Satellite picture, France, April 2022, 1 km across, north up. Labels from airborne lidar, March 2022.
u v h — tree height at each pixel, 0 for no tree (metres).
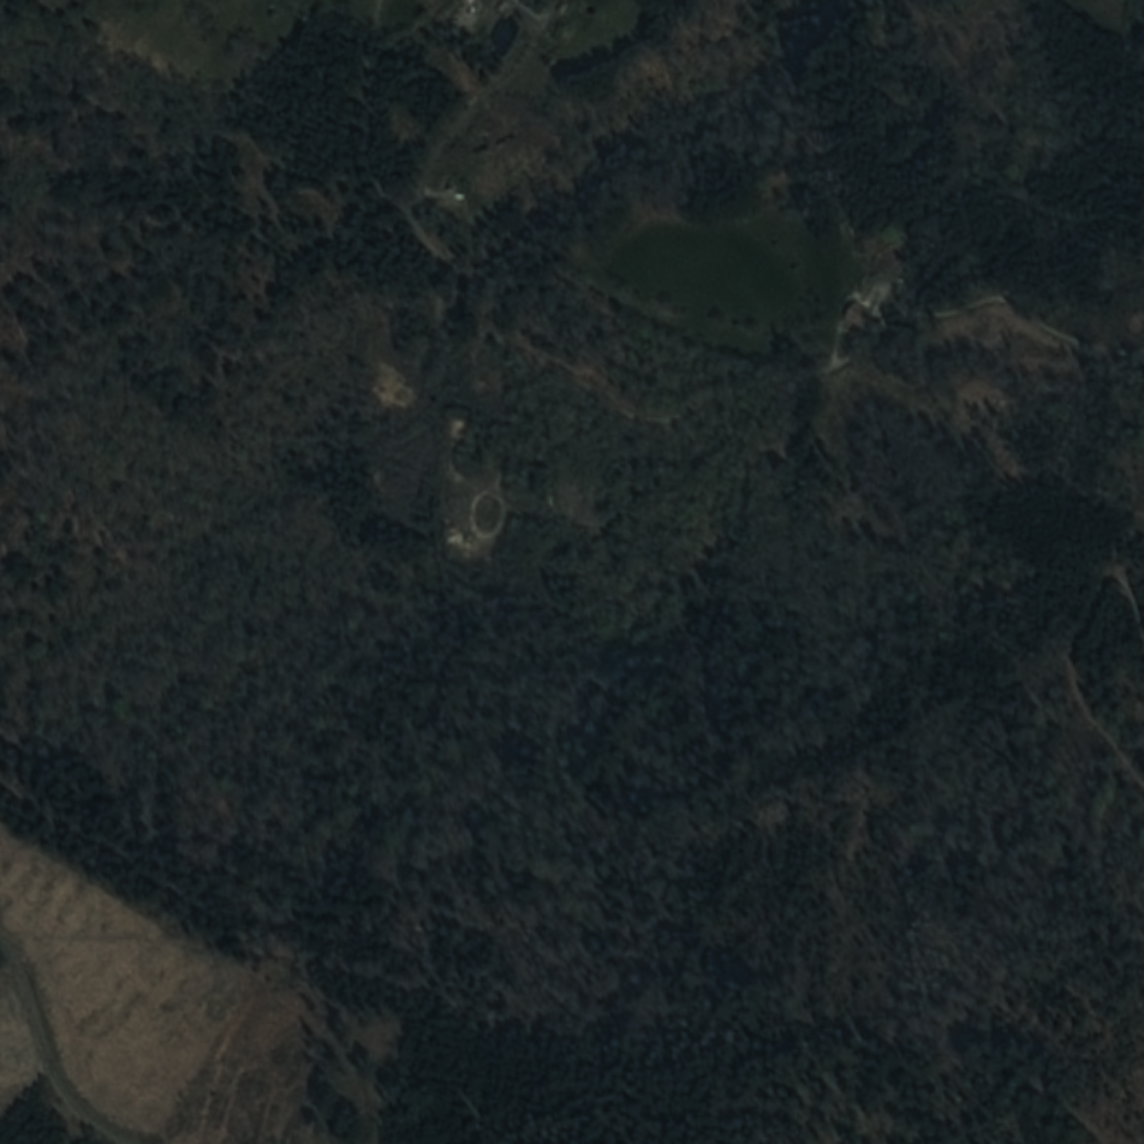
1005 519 18
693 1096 26
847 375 0
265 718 21
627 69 28
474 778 8
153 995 0
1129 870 24
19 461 8
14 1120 13
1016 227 20
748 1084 27
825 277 0
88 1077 0
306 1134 0
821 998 11
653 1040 19
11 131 11
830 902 10
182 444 26
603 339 17
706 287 0
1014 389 24
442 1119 14
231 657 26
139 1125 0
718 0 33
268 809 29
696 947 12
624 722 27
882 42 26
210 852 15
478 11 0
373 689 29
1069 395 21
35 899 0
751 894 9
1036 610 17
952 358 10
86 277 26
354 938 13
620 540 9
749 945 8
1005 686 23
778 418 16
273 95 25
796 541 18
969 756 6
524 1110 15
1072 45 24
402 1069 6
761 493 16
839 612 27
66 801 25
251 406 17
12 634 31
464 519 0
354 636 30
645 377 7
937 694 15
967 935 22
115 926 0
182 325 17
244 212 9
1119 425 23
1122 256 14
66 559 24
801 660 23
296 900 24
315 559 13
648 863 22
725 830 22
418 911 9
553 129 29
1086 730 10
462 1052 7
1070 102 30
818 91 36
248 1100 0
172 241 20
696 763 27
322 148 27
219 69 0
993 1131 35
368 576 23
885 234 29
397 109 20
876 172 30
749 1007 6
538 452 13
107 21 0
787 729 28
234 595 20
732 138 30
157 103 22
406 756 20
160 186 27
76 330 25
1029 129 21
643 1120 21
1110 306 10
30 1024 0
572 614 12
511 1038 15
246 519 22
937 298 28
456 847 36
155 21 0
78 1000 0
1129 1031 7
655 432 12
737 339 0
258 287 6
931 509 25
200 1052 0
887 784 18
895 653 20
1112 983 8
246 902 20
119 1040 0
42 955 0
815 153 30
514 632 26
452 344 21
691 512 13
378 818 19
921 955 28
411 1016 18
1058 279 19
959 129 32
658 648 10
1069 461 22
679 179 32
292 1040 0
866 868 7
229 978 0
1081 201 24
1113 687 30
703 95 27
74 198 35
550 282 19
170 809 19
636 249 0
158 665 22
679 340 23
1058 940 19
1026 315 22
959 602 16
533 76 0
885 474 32
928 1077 28
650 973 9
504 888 33
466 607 28
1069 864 19
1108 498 25
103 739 28
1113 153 22
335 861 14
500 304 20
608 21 0
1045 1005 9
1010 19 0
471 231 18
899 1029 31
